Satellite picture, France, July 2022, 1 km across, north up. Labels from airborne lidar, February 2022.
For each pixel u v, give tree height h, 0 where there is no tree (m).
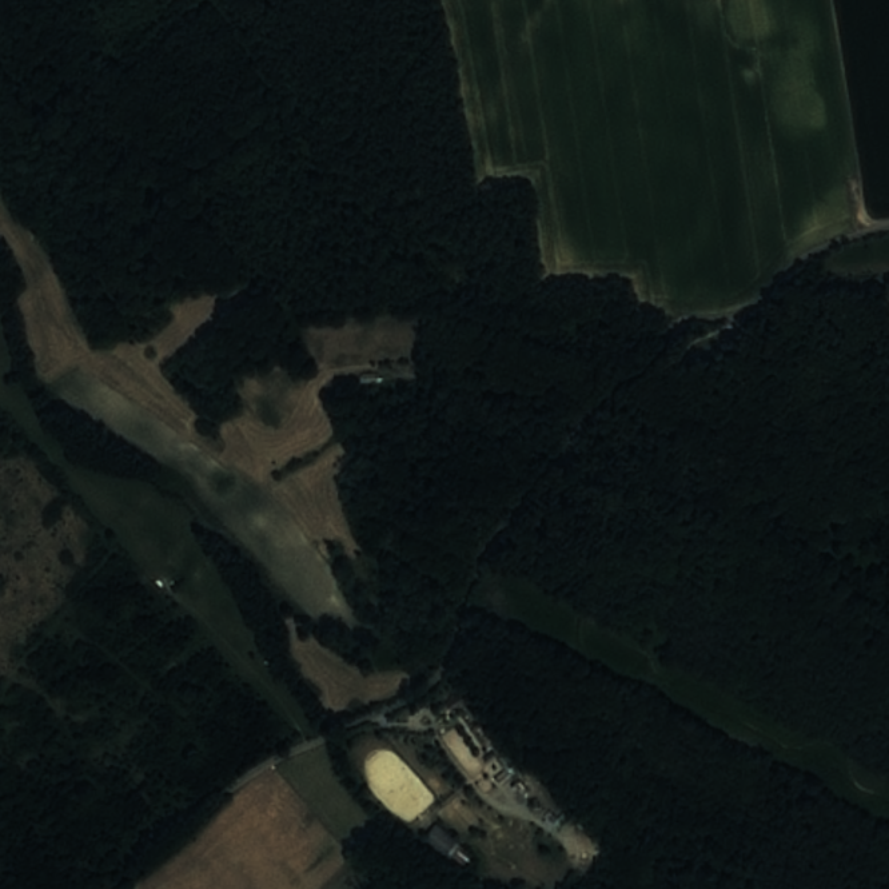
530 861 0
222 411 27
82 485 0
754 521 21
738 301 0
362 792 10
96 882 9
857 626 20
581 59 0
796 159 0
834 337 23
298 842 0
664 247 0
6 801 11
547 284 13
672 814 20
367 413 19
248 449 0
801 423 23
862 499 23
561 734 19
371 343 0
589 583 21
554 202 0
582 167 0
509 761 23
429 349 21
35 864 9
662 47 0
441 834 0
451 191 20
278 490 0
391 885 28
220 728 13
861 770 0
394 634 29
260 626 27
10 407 0
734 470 22
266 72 15
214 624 0
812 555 18
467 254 17
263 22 11
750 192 0
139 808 7
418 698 17
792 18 0
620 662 0
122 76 21
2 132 24
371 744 0
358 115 20
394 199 20
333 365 0
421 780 0
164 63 13
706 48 0
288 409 0
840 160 0
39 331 0
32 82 27
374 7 21
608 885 20
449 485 15
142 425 0
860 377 21
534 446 10
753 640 20
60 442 21
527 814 0
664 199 0
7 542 0
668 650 16
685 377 25
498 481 24
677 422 21
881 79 0
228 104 21
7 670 0
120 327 11
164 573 0
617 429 26
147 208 27
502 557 24
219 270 24
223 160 26
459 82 13
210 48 20
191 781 7
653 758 24
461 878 27
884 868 22
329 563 0
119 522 0
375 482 28
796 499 23
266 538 0
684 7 0
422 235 7
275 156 14
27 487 0
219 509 0
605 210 0
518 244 17
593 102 0
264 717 7
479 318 17
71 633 0
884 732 19
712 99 0
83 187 31
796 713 22
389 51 9
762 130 0
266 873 0
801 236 0
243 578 25
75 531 0
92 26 9
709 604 15
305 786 0
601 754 21
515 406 24
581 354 22
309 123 9
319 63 16
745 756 21
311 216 19
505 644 16
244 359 24
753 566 22
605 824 19
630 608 16
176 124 20
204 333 16
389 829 19
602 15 0
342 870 0
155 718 5
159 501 0
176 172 26
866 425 24
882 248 0
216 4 9
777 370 25
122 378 0
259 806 0
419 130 21
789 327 26
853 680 24
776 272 0
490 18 0
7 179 24
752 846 7
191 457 0
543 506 27
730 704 0
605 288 17
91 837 7
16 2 26
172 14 7
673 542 20
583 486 26
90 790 19
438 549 13
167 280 19
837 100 0
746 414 24
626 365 26
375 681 0
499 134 0
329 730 23
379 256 20
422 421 27
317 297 21
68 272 26
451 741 0
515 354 26
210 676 7
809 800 24
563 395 28
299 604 0
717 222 0
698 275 0
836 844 17
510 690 24
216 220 14
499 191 21
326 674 0
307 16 23
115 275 30
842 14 0
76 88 29
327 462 0
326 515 0
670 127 0
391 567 18
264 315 22
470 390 27
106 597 6
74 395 0
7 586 0
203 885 0
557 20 0
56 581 0
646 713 26
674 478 25
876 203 0
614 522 24
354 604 18
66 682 14
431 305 20
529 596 0
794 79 0
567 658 24
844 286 22
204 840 0
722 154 0
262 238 9
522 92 0
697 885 26
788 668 27
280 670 26
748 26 0
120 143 25
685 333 21
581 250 0
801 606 25
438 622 26
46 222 24
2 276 30
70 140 30
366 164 21
